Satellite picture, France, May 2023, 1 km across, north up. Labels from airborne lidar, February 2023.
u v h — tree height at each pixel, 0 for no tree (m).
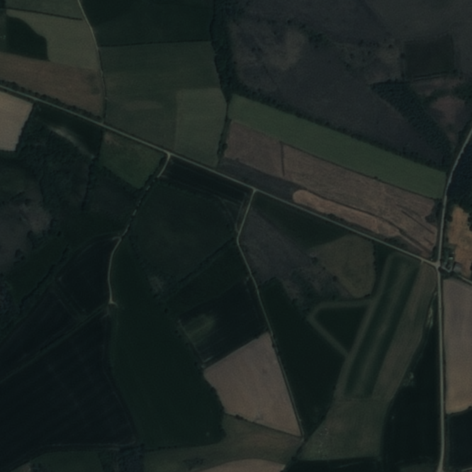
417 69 0
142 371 0
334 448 0
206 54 0
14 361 0
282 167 0
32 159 10
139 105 0
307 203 0
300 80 0
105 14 0
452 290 0
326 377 0
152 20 0
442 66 0
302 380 0
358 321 0
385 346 0
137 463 17
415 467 0
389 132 0
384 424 0
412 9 0
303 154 0
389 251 0
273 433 0
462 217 0
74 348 0
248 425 0
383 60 0
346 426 0
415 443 0
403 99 23
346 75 0
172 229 0
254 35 0
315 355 0
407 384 0
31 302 14
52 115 0
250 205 0
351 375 0
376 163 0
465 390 0
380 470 0
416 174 0
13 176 0
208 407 0
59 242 0
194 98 0
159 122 0
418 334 0
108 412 0
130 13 0
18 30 0
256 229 0
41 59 0
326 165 0
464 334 0
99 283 0
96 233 0
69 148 9
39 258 0
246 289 0
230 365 0
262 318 0
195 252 0
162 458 0
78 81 0
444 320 0
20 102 0
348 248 0
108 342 0
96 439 0
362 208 0
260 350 0
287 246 0
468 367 0
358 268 0
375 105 0
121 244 0
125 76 0
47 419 0
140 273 0
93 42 0
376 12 0
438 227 0
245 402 0
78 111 10
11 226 0
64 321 0
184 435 0
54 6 0
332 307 0
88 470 0
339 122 0
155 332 0
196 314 0
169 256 0
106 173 11
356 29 0
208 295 0
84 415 0
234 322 0
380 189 0
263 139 0
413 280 0
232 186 0
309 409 0
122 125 0
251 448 0
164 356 0
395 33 0
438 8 0
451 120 0
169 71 0
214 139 0
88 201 8
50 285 0
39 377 0
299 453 6
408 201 0
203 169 0
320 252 0
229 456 0
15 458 0
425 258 0
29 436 0
